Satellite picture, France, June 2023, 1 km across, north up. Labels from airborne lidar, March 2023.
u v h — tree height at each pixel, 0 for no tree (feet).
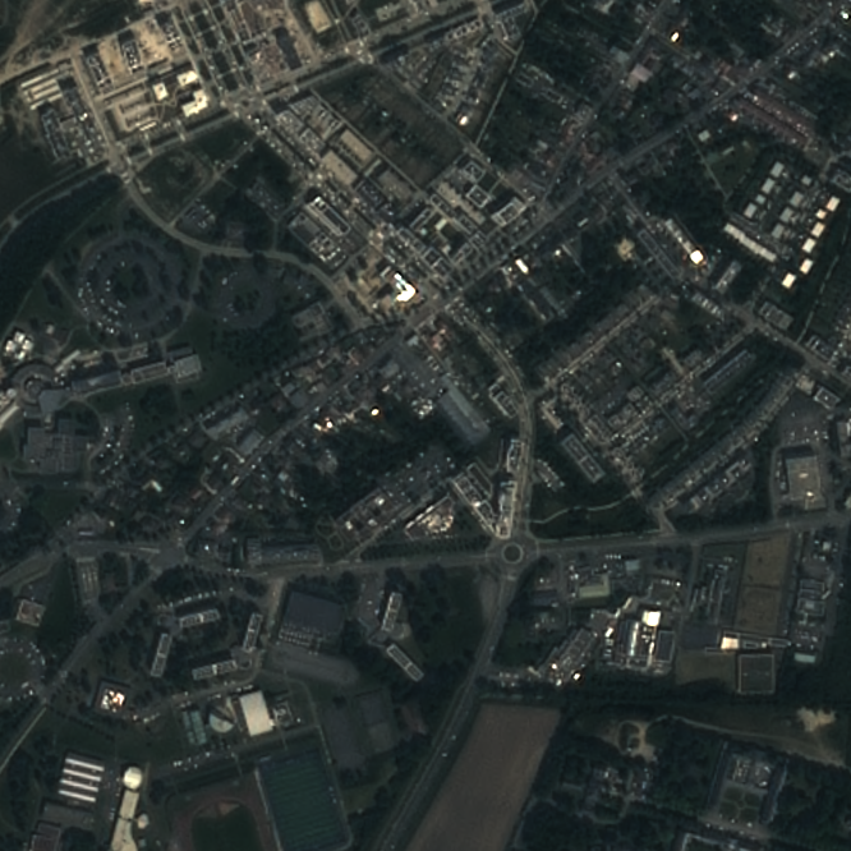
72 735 0
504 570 0
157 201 0
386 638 0
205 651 47
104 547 0
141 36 0
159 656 0
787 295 18
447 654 0
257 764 0
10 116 0
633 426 0
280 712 0
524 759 0
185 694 0
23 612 0
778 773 0
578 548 0
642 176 19
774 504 0
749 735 0
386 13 0
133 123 0
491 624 0
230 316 0
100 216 0
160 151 0
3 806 0
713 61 0
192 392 25
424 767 0
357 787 0
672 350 0
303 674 0
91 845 39
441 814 0
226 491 0
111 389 0
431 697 38
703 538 0
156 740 0
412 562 0
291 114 0
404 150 0
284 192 28
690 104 29
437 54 0
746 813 0
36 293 0
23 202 0
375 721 0
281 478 0
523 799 0
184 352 0
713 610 0
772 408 0
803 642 0
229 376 0
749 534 0
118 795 0
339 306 0
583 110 0
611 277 47
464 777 0
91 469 0
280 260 0
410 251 0
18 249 51
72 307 0
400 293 0
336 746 0
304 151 0
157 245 0
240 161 0
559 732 33
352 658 31
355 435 30
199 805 0
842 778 55
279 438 0
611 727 0
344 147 0
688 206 48
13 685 0
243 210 48
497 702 0
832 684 21
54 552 0
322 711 0
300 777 0
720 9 22
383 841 0
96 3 0
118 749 0
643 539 0
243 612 40
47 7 0
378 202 0
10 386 0
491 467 0
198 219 0
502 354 0
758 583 0
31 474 0
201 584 35
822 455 0
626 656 0
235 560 21
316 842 0
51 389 0
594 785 0
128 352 0
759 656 0
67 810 0
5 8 0
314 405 0
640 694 22
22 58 0
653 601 0
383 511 0
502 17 0
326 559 0
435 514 0
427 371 0
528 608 41
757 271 21
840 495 0
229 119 0
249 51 0
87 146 0
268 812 0
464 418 0
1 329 39
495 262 0
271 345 41
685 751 51
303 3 0
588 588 0
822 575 0
